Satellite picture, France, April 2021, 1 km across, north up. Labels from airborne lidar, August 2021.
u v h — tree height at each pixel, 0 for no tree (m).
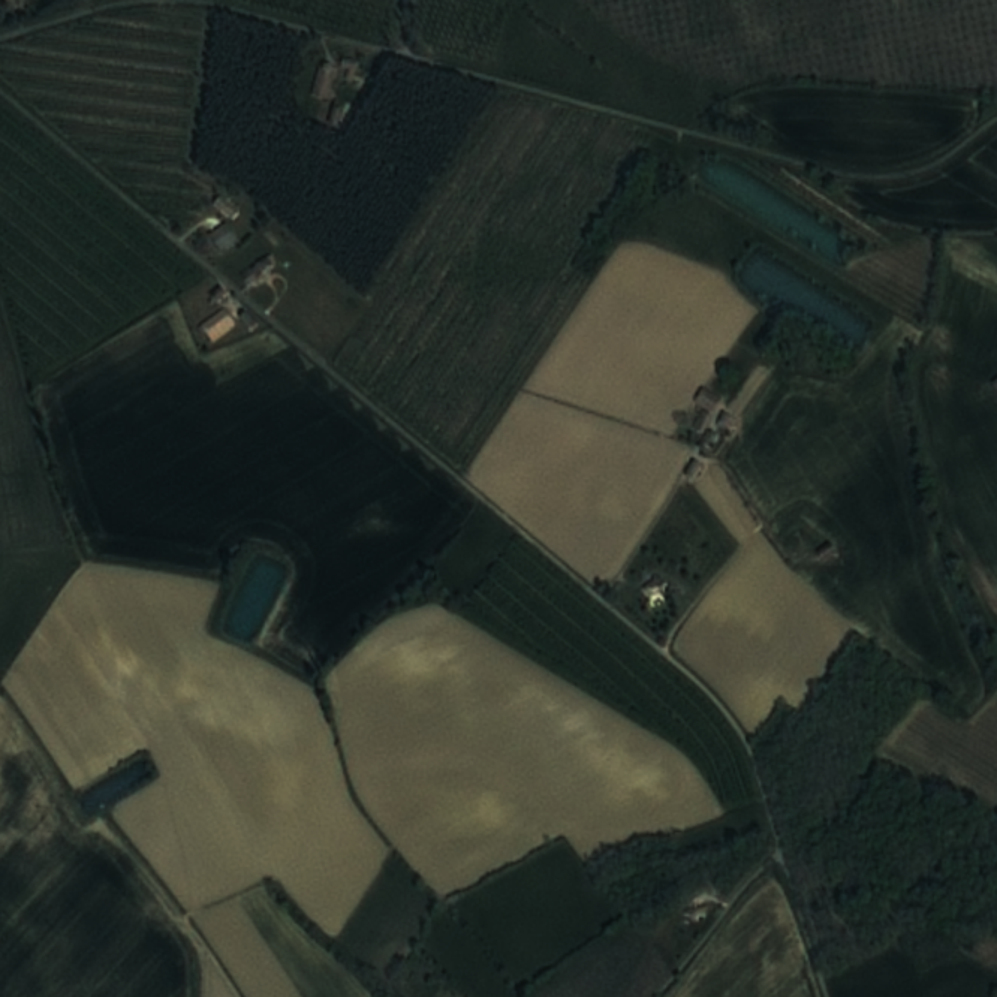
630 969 0
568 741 0
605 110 0
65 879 0
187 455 0
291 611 0
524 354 6
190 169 13
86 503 0
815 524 0
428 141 19
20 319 6
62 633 0
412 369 6
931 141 0
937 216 0
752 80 7
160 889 0
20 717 0
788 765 17
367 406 0
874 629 0
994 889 26
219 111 16
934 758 0
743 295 0
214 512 0
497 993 0
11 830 0
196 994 0
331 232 15
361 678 0
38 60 5
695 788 0
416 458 0
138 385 0
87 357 0
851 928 14
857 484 0
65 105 6
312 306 0
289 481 0
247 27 18
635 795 0
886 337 0
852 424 0
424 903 0
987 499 0
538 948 0
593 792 0
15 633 0
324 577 0
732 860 9
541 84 6
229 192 12
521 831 0
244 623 0
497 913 0
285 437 0
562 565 0
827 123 0
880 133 0
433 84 19
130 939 0
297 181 17
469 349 5
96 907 0
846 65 8
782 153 0
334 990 0
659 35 10
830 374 11
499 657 0
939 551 0
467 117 17
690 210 0
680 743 5
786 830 14
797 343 25
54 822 0
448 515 0
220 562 0
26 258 5
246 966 0
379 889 0
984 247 0
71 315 7
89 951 0
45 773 0
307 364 0
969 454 0
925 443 16
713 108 8
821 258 0
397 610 12
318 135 18
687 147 0
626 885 7
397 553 0
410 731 0
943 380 0
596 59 10
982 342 0
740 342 0
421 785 0
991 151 0
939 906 26
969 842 29
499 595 7
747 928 0
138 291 6
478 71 0
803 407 0
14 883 0
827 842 17
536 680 0
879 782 21
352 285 14
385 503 0
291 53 18
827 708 21
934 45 7
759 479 0
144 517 0
